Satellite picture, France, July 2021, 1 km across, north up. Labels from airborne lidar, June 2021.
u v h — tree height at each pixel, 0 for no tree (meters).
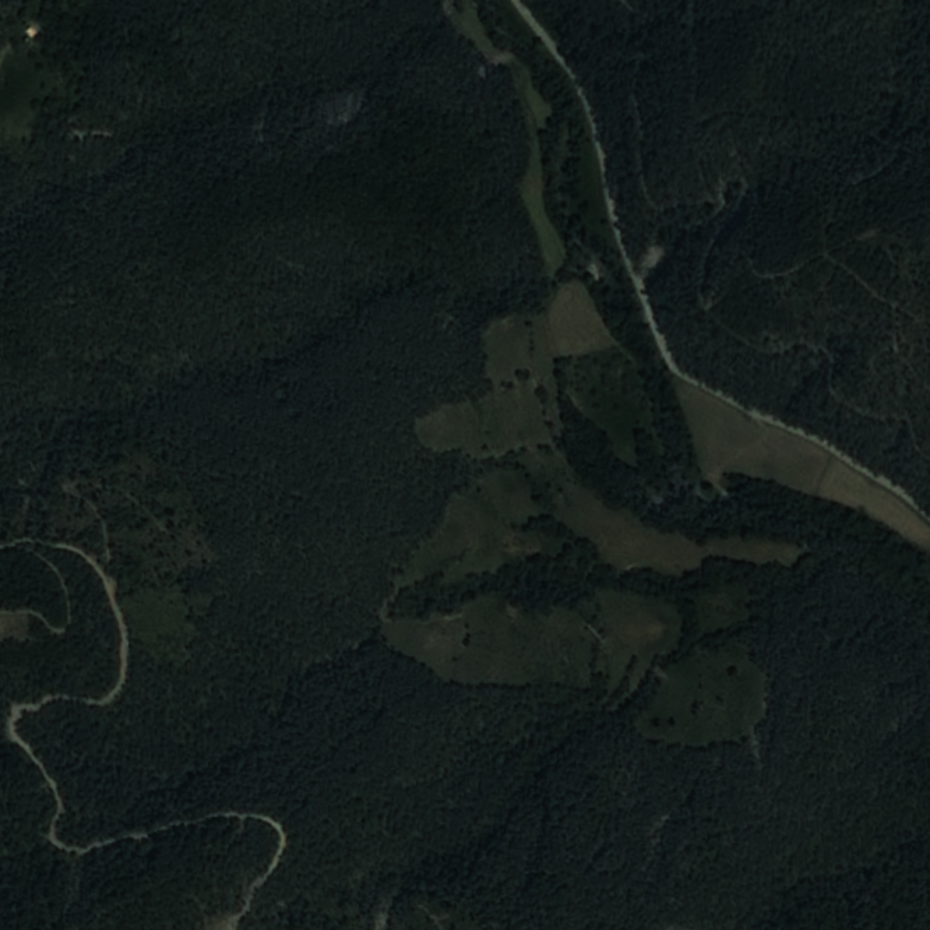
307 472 11
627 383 9
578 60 29
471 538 0
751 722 0
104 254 15
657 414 9
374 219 8
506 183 16
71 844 15
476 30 0
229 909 7
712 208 22
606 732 10
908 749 10
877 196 9
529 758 12
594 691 10
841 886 12
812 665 10
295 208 10
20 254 14
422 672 12
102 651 9
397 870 9
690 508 14
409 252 10
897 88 17
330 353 15
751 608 16
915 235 11
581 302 0
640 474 17
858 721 7
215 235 10
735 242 19
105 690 9
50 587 7
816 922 12
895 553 16
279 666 14
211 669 10
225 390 11
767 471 0
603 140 21
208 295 10
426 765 9
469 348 13
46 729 12
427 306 13
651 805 9
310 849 11
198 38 9
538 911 10
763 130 16
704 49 8
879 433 19
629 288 11
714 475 0
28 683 10
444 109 11
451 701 12
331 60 15
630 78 20
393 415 9
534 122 0
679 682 0
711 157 17
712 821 12
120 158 12
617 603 0
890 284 7
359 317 9
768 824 7
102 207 10
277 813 9
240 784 11
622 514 0
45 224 13
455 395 9
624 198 19
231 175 13
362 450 11
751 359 16
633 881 11
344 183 13
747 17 7
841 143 22
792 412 24
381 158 13
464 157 12
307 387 16
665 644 0
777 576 7
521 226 16
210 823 11
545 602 17
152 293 6
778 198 9
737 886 12
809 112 9
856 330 20
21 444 13
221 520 10
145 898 9
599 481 17
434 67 10
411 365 7
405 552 9
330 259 9
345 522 9
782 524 20
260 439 10
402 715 11
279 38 10
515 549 0
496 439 0
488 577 12
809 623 13
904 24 11
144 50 12
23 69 0
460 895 10
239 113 14
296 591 10
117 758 9
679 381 0
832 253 6
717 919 7
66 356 10
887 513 0
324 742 16
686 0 12
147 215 13
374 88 11
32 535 7
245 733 13
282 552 7
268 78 13
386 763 8
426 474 10
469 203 17
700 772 13
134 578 6
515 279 15
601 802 10
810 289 6
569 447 18
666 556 0
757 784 6
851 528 13
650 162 16
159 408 16
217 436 13
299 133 12
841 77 8
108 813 11
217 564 7
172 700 10
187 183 9
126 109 12
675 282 20
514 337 0
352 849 10
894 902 10
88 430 14
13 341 9
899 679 9
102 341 10
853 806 9
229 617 10
